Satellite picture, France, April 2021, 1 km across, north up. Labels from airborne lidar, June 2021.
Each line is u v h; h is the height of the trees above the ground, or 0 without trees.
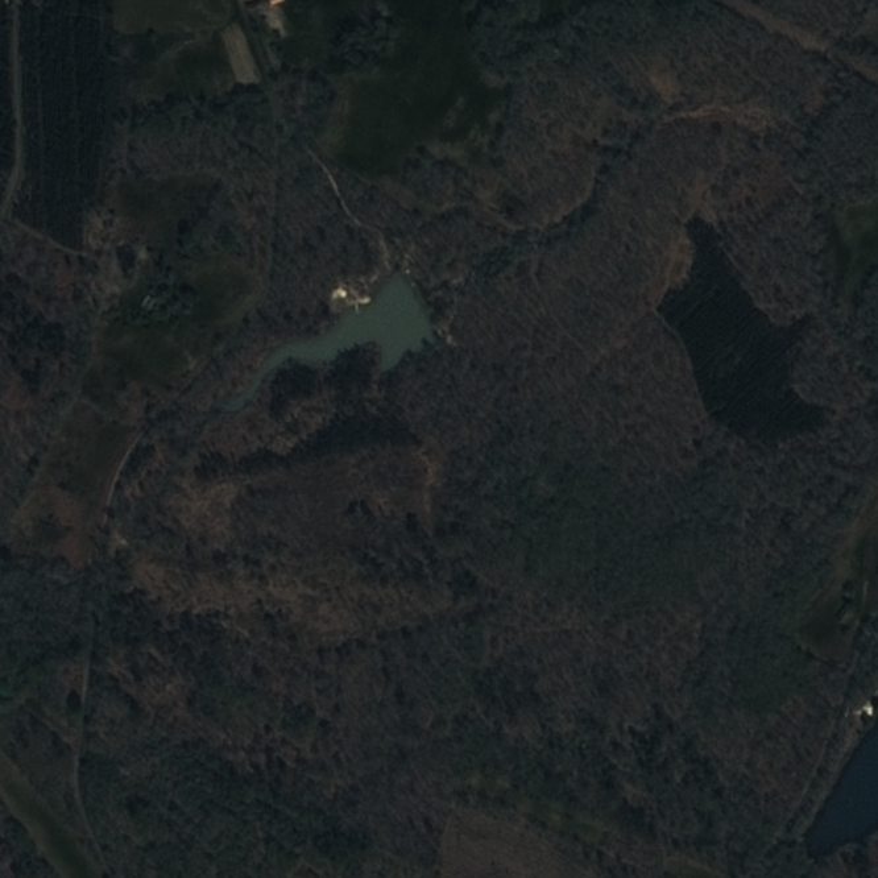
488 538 18
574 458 18
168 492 8
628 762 11
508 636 10
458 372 15
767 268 15
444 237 18
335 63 0
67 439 0
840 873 25
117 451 0
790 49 14
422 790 20
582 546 16
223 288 0
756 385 13
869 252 0
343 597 15
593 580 16
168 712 6
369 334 0
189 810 9
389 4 0
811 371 20
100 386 0
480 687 17
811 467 19
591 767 17
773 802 13
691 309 12
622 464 17
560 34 22
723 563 21
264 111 21
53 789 15
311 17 11
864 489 21
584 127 15
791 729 17
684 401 12
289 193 16
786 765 8
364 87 0
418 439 10
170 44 0
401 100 0
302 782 10
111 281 14
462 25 0
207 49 0
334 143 0
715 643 12
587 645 13
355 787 12
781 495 20
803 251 19
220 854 11
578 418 15
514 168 18
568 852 9
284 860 21
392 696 11
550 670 15
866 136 15
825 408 9
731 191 13
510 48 20
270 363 0
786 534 14
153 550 21
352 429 13
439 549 16
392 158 0
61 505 0
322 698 14
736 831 16
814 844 0
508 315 15
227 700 21
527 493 19
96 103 8
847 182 23
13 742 17
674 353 12
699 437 9
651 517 19
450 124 0
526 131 20
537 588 12
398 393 9
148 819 15
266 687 20
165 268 18
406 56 0
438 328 16
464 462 18
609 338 13
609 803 15
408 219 14
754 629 18
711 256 11
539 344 12
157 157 16
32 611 20
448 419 11
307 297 13
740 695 19
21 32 7
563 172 13
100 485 0
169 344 0
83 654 26
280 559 21
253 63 0
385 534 12
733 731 21
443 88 0
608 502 22
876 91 13
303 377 13
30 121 9
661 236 17
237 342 9
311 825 13
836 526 20
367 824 18
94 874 0
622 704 15
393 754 13
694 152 14
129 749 5
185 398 17
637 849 11
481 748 22
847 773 0
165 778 7
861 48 17
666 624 13
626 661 11
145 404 13
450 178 22
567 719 12
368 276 14
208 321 0
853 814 0
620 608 17
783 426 11
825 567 20
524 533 19
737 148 10
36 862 20
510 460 13
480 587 22
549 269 12
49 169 6
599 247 14
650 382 12
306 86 17
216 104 9
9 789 0
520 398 10
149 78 0
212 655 9
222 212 18
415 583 21
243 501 13
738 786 13
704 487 17
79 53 9
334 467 10
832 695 15
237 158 18
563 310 12
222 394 12
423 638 15
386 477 8
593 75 23
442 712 14
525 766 19
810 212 20
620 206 14
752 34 19
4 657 26
